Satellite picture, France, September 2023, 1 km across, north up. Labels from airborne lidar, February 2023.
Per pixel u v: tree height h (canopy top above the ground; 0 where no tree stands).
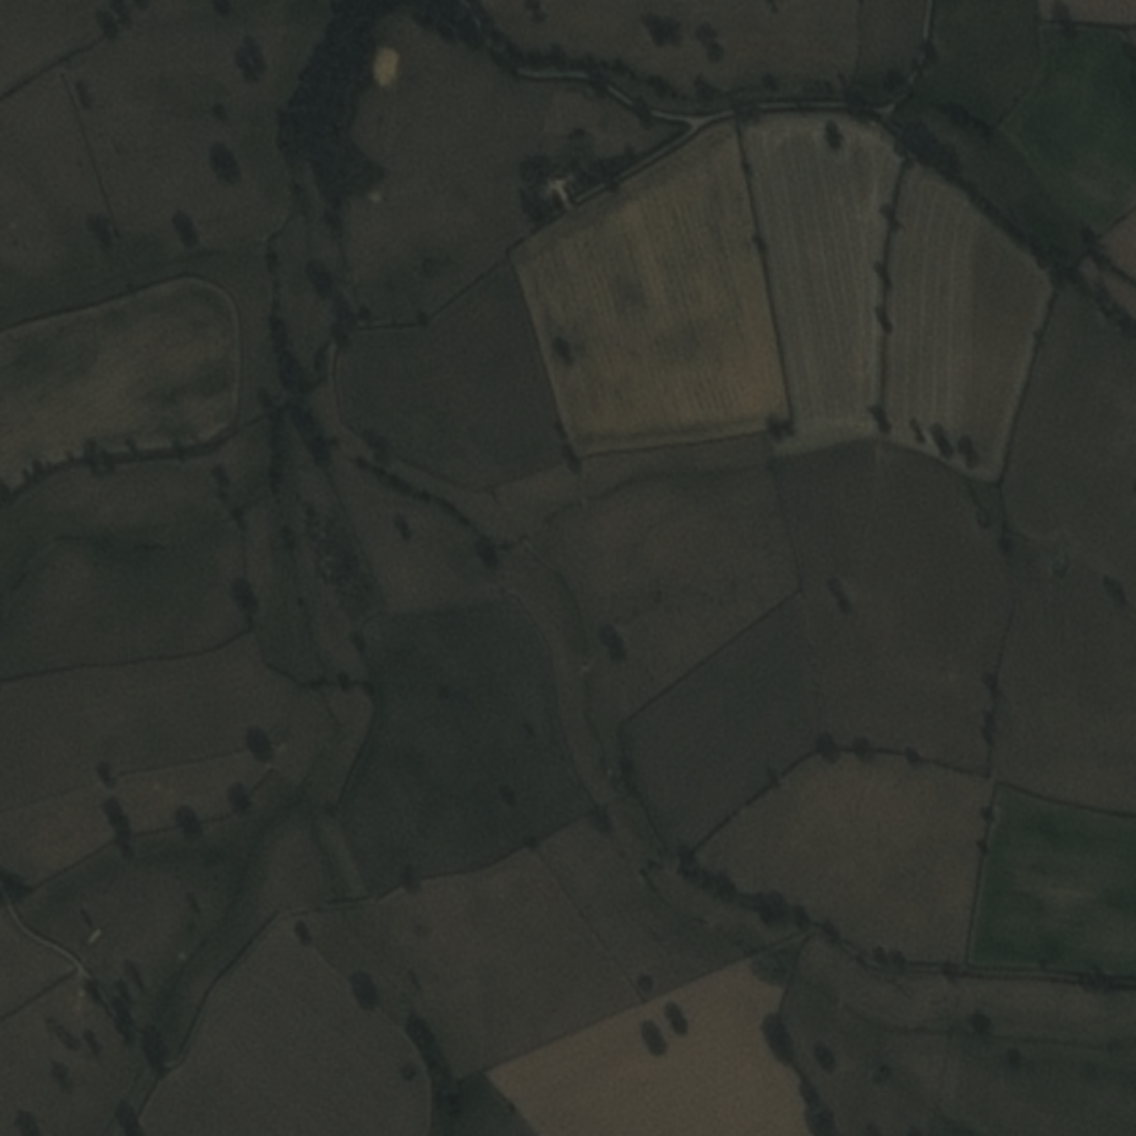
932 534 0
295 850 0
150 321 0
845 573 0
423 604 0
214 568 0
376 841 0
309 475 0
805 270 0
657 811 0
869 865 0
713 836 0
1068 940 0
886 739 0
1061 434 0
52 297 0
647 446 0
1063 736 0
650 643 0
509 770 0
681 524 0
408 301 0
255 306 0
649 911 0
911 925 0
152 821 0
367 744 0
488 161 0
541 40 0
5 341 0
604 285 0
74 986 0
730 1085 0
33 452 0
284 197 0
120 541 0
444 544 0
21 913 0
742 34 0
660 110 0
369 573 0
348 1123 0
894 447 0
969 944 0
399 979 0
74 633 0
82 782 0
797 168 0
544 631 0
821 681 0
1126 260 0
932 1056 0
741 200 0
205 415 0
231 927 0
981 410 0
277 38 0
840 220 0
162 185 0
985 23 0
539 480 0
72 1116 0
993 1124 0
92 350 0
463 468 0
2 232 0
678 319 0
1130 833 0
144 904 0
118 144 0
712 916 0
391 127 0
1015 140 0
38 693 0
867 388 0
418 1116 0
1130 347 0
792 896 0
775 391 0
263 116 0
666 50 0
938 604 0
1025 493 0
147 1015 0
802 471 0
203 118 0
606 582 0
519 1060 0
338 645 0
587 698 0
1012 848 0
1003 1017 0
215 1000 0
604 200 0
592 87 12
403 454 0
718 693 0
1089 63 0
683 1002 0
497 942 0
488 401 0
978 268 0
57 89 0
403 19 0
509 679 0
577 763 0
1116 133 0
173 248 0
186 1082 0
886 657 0
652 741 0
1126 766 0
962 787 0
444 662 0
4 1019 0
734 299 0
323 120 20
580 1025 0
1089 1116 0
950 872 0
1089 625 0
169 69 0
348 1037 0
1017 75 0
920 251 0
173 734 0
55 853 0
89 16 0
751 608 0
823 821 0
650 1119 0
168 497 0
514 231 0
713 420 0
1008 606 0
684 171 0
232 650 0
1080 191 0
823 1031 0
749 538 0
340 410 0
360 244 0
